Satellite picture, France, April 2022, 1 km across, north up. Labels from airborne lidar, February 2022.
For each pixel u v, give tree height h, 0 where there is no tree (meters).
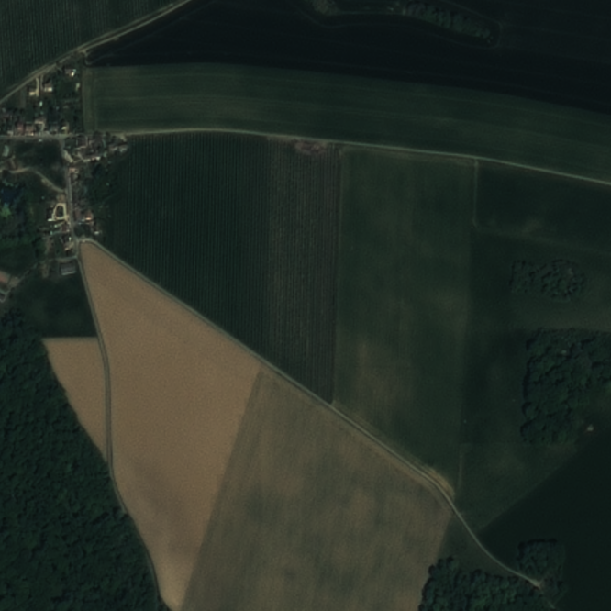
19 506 23
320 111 0
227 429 0
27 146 0
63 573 23
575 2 0
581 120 0
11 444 19
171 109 0
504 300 0
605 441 0
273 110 0
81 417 0
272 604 0
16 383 26
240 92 0
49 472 20
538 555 21
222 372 0
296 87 0
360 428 0
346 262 0
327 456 0
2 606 27
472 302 0
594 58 0
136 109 0
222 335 0
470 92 0
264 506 0
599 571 0
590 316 0
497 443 0
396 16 0
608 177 0
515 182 0
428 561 0
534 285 6
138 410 0
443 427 0
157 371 0
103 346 0
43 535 20
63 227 0
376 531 0
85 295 0
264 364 0
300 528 0
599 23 0
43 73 0
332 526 0
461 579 15
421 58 0
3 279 0
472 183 0
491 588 28
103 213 0
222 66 0
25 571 23
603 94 0
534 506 0
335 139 0
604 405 0
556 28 0
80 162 0
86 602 25
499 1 0
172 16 0
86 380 0
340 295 0
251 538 0
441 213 0
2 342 23
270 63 0
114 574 22
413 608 0
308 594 0
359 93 0
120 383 0
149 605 19
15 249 0
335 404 0
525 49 0
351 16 0
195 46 0
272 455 0
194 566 0
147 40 0
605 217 0
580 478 0
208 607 0
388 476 0
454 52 0
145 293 0
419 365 0
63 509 14
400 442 0
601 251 0
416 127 0
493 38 0
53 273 12
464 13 0
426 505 0
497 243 0
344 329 0
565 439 21
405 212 0
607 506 0
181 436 0
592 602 0
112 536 17
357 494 0
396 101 0
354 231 0
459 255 0
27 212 17
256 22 0
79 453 20
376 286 0
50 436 17
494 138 0
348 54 0
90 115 0
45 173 0
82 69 0
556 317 0
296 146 0
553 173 0
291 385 0
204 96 0
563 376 26
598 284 0
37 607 29
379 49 0
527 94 0
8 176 19
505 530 0
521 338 0
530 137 0
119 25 0
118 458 0
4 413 22
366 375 0
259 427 0
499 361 0
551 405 20
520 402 0
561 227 0
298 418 0
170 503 0
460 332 0
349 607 0
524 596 25
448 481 0
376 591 0
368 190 0
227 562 0
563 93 0
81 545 22
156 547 0
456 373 0
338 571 0
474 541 0
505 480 0
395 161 0
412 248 0
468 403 0
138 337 0
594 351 19
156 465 0
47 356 12
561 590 20
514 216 0
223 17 0
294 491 0
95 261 0
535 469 0
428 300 0
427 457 0
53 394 24
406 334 0
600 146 0
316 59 0
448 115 0
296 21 0
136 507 0
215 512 0
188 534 0
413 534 0
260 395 0
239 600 0
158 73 0
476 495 0
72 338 0
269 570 0
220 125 0
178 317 0
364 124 0
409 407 0
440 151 0
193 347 0
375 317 0
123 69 0
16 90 0
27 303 0
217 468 0
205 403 0
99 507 9
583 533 0
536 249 0
